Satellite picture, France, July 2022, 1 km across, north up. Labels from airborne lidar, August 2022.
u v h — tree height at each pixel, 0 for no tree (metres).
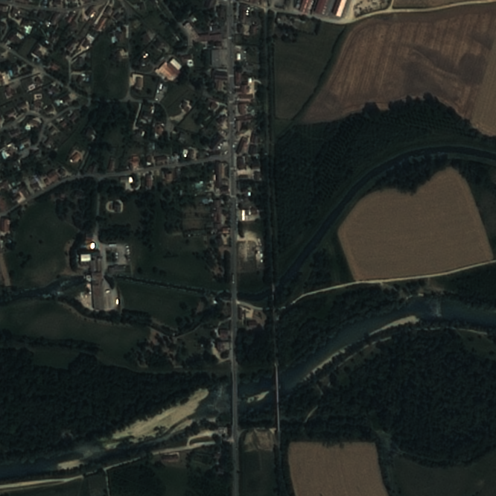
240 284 0
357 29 0
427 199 0
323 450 0
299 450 0
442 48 0
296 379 0
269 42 9
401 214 0
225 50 0
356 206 0
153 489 6
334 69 0
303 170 10
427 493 0
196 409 0
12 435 14
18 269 0
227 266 14
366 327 0
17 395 18
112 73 0
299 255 0
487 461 0
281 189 12
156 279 0
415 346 12
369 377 7
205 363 18
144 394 17
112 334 0
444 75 0
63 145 0
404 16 0
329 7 0
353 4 0
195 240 0
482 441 16
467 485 0
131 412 21
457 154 0
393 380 27
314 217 9
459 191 0
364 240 0
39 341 10
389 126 8
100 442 0
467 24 0
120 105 24
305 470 0
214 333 8
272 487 0
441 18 0
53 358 0
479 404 23
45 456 11
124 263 0
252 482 0
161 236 0
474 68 0
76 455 0
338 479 0
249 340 20
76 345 13
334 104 0
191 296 0
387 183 14
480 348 0
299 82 0
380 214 0
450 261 0
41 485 0
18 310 0
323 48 0
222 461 12
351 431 23
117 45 6
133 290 0
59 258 0
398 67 0
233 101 0
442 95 0
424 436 28
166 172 9
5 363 14
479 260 0
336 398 17
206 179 7
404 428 28
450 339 18
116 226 6
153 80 9
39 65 0
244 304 0
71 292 0
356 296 13
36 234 0
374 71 0
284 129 0
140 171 0
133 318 8
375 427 0
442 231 0
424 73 0
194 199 8
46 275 0
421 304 0
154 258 0
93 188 9
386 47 0
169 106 0
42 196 7
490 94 0
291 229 6
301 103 0
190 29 0
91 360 18
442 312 0
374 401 32
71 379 16
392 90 0
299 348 7
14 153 8
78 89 11
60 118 0
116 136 0
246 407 0
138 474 6
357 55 0
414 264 0
